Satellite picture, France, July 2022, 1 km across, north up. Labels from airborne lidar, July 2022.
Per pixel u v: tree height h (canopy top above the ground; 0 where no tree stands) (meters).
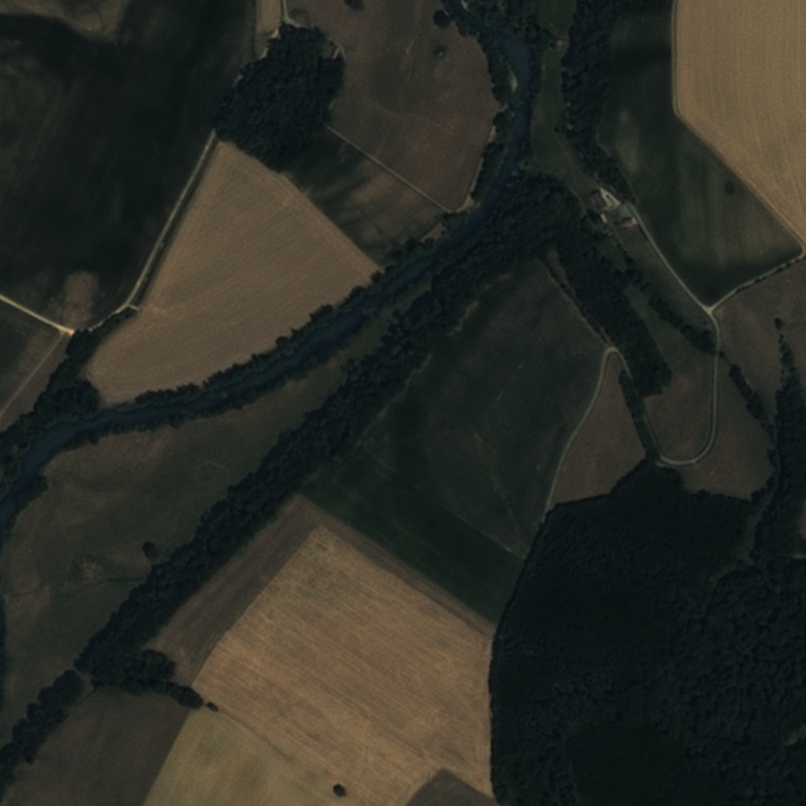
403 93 0
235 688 0
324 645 0
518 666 16
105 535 0
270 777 0
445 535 0
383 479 0
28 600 0
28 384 0
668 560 19
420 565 0
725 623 28
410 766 0
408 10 0
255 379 0
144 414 0
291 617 0
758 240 0
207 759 0
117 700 0
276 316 0
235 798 0
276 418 0
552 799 19
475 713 0
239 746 0
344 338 14
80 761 0
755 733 23
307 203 0
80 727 0
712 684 23
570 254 20
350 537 0
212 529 33
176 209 0
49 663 0
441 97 0
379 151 0
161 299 0
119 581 0
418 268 0
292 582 0
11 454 15
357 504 0
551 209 21
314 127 22
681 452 0
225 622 0
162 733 0
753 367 0
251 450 0
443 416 0
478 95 0
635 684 29
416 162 0
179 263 0
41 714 21
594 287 21
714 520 18
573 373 0
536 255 15
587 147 22
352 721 0
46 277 0
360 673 0
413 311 0
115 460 0
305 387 0
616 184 18
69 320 0
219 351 0
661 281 0
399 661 0
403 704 0
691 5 0
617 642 18
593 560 23
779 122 0
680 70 0
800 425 19
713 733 20
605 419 0
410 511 0
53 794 0
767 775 26
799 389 10
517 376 0
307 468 21
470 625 0
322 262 0
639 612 15
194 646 0
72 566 0
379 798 0
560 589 16
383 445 0
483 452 0
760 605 26
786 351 6
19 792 0
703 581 22
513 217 26
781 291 0
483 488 0
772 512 18
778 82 0
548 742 25
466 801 0
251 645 0
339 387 0
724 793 5
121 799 0
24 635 0
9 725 0
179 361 0
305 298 0
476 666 0
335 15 0
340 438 19
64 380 19
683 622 19
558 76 0
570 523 20
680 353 0
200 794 0
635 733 6
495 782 12
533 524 0
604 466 0
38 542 0
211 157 0
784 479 23
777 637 27
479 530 0
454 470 0
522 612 16
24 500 17
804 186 0
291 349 14
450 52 0
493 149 12
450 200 0
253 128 20
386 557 0
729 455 0
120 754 0
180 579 22
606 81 13
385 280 9
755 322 0
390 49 0
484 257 31
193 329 0
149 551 17
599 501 14
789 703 24
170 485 0
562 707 27
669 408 0
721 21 0
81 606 0
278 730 0
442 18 19
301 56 25
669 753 6
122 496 0
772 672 19
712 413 0
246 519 27
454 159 0
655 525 15
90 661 21
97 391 34
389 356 25
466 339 0
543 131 0
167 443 0
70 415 19
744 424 0
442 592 0
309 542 0
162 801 0
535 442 0
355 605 0
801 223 0
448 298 29
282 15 0
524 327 0
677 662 24
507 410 0
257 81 18
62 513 0
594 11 21
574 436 0
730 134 0
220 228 0
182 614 0
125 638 19
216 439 0
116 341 0
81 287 0
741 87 0
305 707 0
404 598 0
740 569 9
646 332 18
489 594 0
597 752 6
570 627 20
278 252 0
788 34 0
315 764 0
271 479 24
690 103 0
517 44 0
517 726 23
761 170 0
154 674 19
